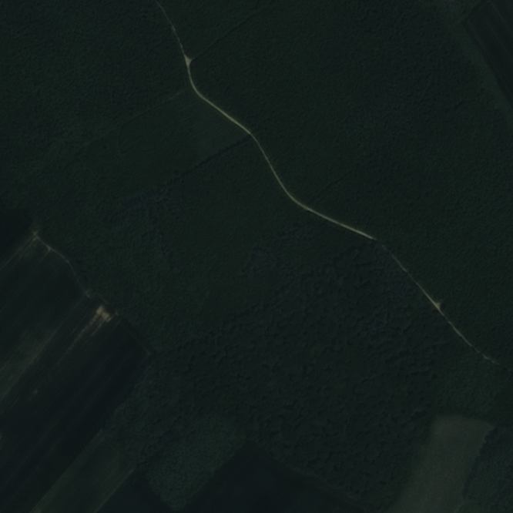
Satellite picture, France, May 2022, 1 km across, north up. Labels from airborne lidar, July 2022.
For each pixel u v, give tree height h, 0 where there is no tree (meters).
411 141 19
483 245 15
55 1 19
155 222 24
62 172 20
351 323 27
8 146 16
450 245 15
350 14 16
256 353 23
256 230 13
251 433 24
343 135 13
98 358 0
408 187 20
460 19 24
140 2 21
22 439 0
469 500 18
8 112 13
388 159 19
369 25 20
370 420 26
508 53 0
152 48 19
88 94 17
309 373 30
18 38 18
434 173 18
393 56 19
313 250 11
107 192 12
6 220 0
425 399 24
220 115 0
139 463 14
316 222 10
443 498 0
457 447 0
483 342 18
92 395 0
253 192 15
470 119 16
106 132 13
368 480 21
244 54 13
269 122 16
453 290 15
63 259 0
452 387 18
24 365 0
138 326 15
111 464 0
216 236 15
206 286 15
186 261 16
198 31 17
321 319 23
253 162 16
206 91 14
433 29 19
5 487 0
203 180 16
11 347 0
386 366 24
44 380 0
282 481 0
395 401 24
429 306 17
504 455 25
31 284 0
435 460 0
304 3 14
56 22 20
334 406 23
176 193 16
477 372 17
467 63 17
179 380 24
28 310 0
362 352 23
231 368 25
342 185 18
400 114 16
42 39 19
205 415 26
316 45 12
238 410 26
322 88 12
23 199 17
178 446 30
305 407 26
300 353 27
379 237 17
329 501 0
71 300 0
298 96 13
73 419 0
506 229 18
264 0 23
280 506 0
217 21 16
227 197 15
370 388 29
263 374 28
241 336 24
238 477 0
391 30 19
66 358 0
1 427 0
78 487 0
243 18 14
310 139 10
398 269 22
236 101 16
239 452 0
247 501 0
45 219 17
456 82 19
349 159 13
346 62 13
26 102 16
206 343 30
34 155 16
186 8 17
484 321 16
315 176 12
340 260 26
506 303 15
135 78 19
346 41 15
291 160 14
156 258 20
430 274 14
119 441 20
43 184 18
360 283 26
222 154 16
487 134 19
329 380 26
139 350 0
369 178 16
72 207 20
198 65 13
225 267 15
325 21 13
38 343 0
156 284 19
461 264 16
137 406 17
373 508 0
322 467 26
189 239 14
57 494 0
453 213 18
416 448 25
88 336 0
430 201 18
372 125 17
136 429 24
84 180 18
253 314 20
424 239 16
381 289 26
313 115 12
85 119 16
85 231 20
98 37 18
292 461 25
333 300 28
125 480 0
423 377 25
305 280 23
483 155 18
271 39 13
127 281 21
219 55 14
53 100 18
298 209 10
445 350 26
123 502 0
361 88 14
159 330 16
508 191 18
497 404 13
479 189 18
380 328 26
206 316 15
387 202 20
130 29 19
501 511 26
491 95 10
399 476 27
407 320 23
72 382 0
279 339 22
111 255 20
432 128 20
